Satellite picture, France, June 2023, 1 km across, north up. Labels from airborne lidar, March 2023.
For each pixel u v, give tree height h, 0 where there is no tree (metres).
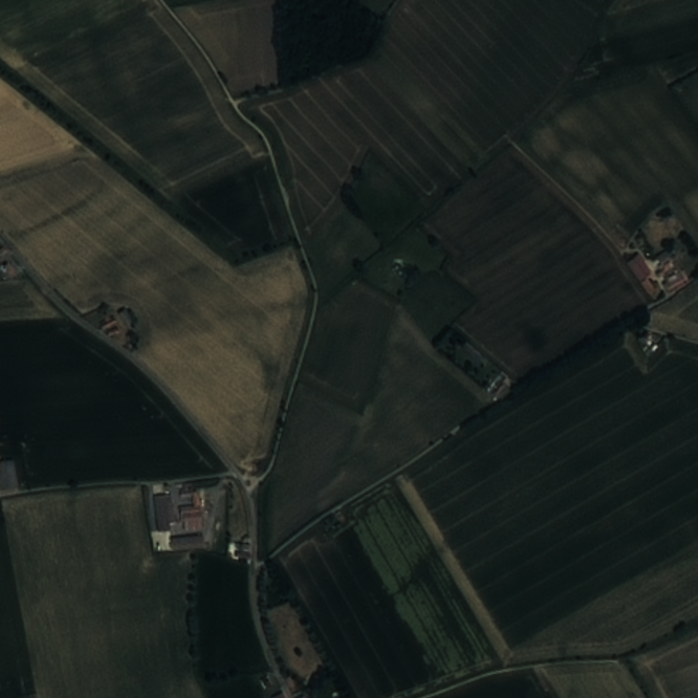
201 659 0
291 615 0
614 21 0
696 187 0
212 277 0
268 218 0
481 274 0
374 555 0
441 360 0
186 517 0
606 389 0
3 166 0
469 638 0
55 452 0
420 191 0
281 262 0
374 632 0
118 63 0
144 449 0
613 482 0
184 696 0
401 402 0
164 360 0
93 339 0
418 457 0
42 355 0
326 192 0
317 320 0
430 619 0
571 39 0
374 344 0
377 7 0
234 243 0
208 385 0
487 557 0
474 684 0
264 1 0
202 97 0
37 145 0
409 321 0
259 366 0
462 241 0
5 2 0
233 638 0
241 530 0
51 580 0
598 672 0
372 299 0
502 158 0
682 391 0
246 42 0
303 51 21
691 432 0
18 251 0
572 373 0
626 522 0
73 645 0
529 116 0
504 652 0
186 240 0
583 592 0
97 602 0
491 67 0
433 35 0
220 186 0
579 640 0
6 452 0
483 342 0
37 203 0
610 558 0
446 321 0
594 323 0
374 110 0
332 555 0
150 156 0
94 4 0
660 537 0
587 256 0
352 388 0
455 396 0
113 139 0
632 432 0
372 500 0
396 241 0
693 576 0
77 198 0
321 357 0
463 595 0
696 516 0
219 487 0
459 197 0
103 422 0
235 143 0
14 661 0
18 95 0
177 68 0
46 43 0
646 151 0
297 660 0
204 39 0
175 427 0
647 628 0
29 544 0
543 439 0
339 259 0
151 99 0
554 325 0
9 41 0
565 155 0
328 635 0
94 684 0
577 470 0
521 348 0
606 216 0
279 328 0
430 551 0
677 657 0
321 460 0
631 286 0
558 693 0
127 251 0
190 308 0
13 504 0
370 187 0
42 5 0
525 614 0
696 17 0
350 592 0
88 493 0
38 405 0
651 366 0
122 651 0
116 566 0
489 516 0
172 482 0
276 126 0
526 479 0
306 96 0
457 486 0
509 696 0
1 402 0
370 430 0
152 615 0
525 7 0
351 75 0
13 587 0
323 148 0
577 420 0
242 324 0
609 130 0
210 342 0
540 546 0
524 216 0
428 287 0
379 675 0
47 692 0
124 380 0
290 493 0
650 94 0
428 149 0
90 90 0
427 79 0
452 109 0
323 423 0
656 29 0
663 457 0
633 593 0
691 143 0
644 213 0
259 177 0
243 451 0
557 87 0
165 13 0
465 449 0
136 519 0
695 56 0
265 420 0
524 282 0
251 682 0
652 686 0
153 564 0
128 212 0
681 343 0
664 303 0
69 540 0
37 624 0
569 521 0
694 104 0
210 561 0
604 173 0
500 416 0
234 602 0
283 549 0
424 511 0
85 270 0
